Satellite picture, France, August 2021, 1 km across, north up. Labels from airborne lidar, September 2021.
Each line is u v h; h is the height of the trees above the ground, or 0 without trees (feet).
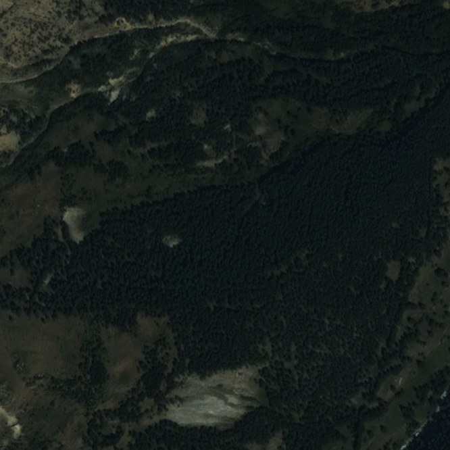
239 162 74
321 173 94
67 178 19
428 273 0
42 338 0
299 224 62
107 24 26
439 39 29
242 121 28
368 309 62
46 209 0
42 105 0
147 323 0
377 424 0
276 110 0
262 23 29
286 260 53
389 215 68
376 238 75
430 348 0
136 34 22
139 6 49
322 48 21
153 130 59
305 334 63
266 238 69
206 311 60
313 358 87
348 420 80
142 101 35
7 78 0
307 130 0
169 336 0
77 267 79
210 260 52
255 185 48
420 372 0
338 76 51
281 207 74
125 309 33
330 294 72
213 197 58
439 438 88
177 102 55
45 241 52
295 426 62
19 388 0
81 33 0
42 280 66
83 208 0
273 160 64
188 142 34
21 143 34
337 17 25
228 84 94
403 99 42
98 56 24
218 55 57
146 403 0
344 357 68
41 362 0
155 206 41
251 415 44
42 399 0
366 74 41
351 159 86
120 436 65
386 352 89
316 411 71
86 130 0
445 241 61
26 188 0
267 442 50
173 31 22
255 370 0
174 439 97
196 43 26
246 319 68
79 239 0
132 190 0
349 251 71
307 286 75
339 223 73
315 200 73
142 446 63
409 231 71
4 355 0
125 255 70
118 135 60
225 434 61
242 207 64
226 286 63
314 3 23
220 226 96
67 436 0
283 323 53
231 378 0
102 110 30
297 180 69
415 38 34
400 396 44
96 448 45
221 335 36
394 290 68
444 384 64
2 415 0
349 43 51
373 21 34
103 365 32
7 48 27
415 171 66
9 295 65
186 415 0
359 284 79
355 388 56
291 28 31
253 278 93
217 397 0
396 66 66
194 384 0
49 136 0
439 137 81
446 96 80
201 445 101
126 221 62
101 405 0
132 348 0
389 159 65
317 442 95
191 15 47
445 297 0
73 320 0
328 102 69
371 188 56
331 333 52
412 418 34
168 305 49
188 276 56
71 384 31
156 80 24
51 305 25
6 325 0
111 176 23
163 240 47
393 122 33
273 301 56
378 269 90
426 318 25
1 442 0
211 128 23
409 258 86
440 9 21
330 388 68
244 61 70
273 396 80
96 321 27
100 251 82
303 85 58
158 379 50
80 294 51
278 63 53
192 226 82
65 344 0
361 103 74
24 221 0
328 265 83
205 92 43
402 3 33
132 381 0
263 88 37
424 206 76
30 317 40
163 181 0
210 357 45
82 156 48
